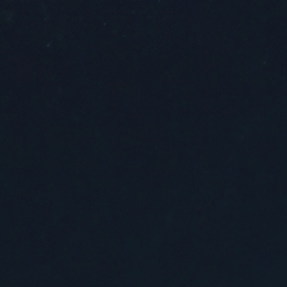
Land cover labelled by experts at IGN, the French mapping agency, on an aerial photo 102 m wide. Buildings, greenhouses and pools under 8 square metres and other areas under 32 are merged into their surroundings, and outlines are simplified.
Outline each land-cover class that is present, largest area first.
<instances>
[{"label":"water","instance_id":"1","mask_svg":"<svg viewBox=\"0 0 287 287\"><path fill-rule=\"evenodd\" d=\"M0 287H287V0H0Z\"/></svg>","mask_w":287,"mask_h":287}]
</instances>
